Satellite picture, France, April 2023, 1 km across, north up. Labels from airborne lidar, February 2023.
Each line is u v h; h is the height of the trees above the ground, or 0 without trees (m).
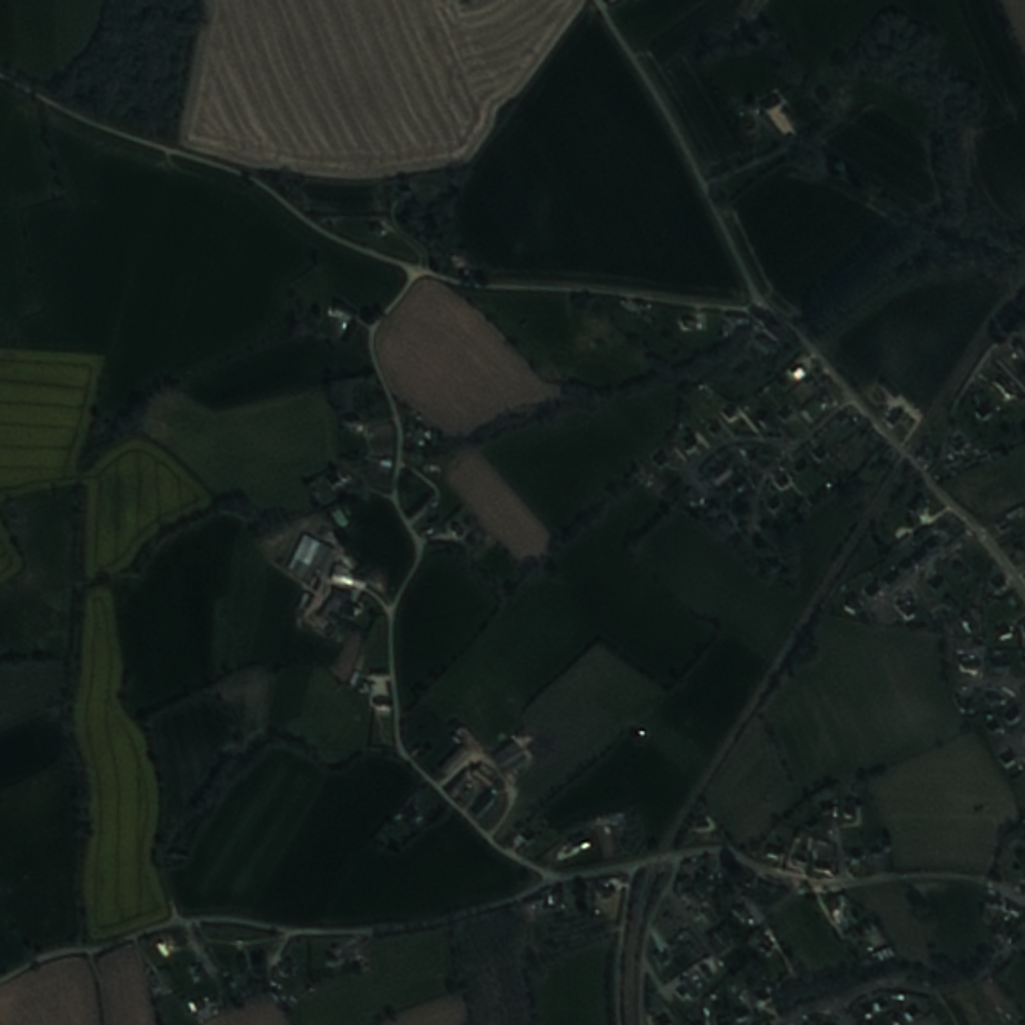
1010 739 0
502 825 0
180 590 0
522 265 0
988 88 0
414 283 0
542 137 0
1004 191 0
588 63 0
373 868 0
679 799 0
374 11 0
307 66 0
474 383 0
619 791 0
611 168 0
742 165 8
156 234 0
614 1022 11
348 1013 0
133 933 0
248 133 0
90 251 0
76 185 0
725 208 14
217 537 0
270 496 0
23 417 0
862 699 0
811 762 0
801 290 0
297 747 14
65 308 0
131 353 0
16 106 0
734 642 0
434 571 0
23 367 0
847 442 0
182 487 0
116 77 14
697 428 0
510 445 0
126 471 0
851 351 0
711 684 0
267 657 0
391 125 0
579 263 0
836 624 0
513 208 0
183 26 17
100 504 0
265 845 0
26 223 0
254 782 0
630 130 0
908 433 0
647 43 0
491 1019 13
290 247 0
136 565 7
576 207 0
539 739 0
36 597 0
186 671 0
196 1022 0
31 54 0
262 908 0
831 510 0
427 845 0
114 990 0
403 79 0
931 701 0
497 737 0
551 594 0
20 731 0
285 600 0
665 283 0
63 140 0
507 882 0
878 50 14
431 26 0
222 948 0
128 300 0
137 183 0
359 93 0
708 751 0
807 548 0
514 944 15
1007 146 0
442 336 0
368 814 0
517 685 0
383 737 0
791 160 12
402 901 0
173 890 0
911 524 8
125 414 8
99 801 0
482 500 0
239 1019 0
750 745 0
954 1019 0
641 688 0
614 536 0
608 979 11
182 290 0
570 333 0
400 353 0
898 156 0
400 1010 0
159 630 0
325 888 0
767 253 0
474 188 0
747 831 0
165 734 0
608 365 0
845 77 16
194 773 0
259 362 0
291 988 0
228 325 0
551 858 0
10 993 0
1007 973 8
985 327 0
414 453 17
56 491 10
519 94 0
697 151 0
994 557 0
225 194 0
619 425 0
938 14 0
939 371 0
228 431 0
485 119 0
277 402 0
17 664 10
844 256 0
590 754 0
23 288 0
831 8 0
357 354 0
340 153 0
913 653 0
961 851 0
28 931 0
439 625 0
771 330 13
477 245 0
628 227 0
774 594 0
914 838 0
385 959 0
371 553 0
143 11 12
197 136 0
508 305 0
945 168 20
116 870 0
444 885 0
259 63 0
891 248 37
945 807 0
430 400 0
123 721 0
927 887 0
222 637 0
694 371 10
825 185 0
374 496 0
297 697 0
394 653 0
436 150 0
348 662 0
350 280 0
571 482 0
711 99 0
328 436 0
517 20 0
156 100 13
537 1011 12
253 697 0
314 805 0
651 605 0
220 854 0
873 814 0
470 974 8
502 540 0
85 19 0
